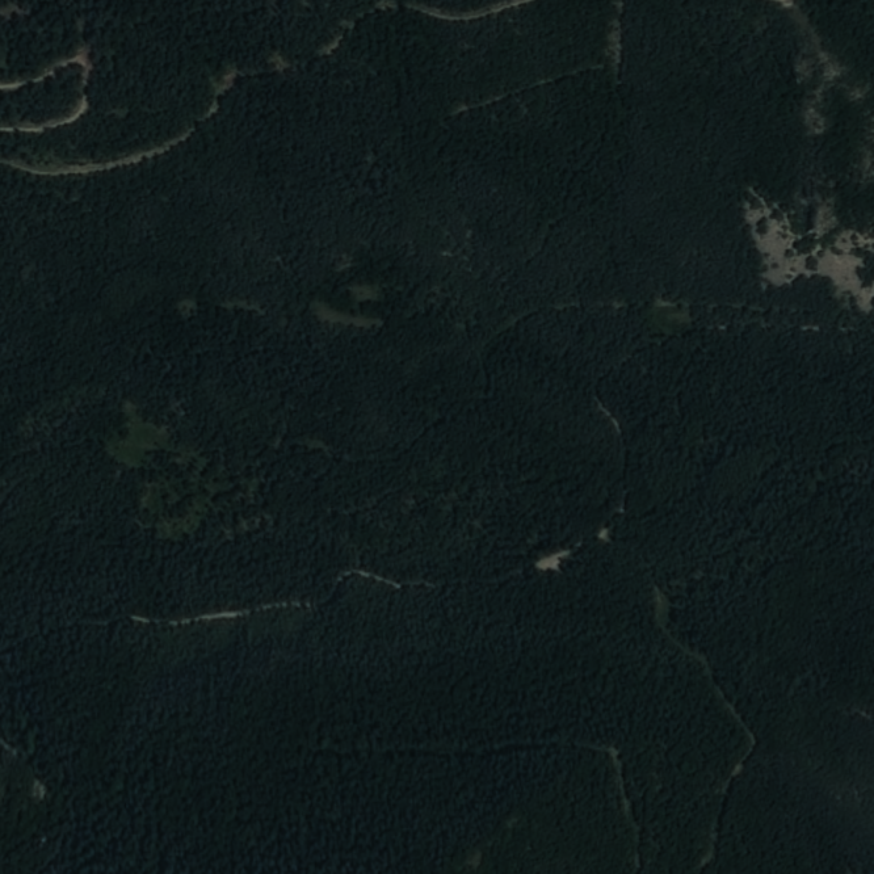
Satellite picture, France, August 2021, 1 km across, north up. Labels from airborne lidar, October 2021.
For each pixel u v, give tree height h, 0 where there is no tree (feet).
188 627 22
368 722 36
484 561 74
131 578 52
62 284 75
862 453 26
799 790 57
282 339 82
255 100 87
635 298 53
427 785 58
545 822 44
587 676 55
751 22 18
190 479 46
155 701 51
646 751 49
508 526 68
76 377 55
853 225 31
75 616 59
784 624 57
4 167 45
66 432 65
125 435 47
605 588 41
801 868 65
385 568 60
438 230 42
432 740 64
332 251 48
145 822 60
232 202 48
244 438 50
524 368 93
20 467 58
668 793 75
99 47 47
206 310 48
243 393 48
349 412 48
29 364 52
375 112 75
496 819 46
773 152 54
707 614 64
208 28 82
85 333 73
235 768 58
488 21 43
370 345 51
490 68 49
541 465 59
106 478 41
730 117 54
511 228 51
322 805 52
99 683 52
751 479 96
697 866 41
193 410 58
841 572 59
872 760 39
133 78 71
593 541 59
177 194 40
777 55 37
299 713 50
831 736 55
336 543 69
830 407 62
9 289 53
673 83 56
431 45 50
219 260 49
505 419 50
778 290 40
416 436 52
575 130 71
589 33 61
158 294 67
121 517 72
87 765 62
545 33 39
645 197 57
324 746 56
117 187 80
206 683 37
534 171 47
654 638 31
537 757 58
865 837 27
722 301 53
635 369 53
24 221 62
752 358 63
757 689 73
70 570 84
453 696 48
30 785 43
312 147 67
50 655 78
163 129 60
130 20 47
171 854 73
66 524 67
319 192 65
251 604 31
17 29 86
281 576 62
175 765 64
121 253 62
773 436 65
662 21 47
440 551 42
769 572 69
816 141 44
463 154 56
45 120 52
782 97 33
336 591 18
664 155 54
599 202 64
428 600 55
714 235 52
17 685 38
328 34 58
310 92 81
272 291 58
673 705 59
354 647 29
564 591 60
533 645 56
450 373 56
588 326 54
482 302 58
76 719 64
